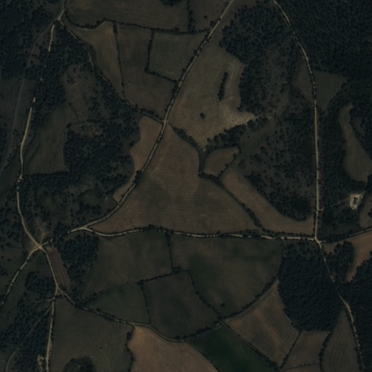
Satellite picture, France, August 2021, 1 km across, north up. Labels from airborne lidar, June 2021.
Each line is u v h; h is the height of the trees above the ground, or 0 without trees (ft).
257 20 36
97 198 0
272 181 29
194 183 0
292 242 0
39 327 34
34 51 0
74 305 32
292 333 0
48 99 31
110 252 0
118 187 49
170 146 0
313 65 39
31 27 34
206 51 0
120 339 0
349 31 54
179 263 0
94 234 34
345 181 26
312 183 21
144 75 0
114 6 0
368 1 26
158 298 0
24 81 0
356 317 34
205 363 0
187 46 0
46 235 0
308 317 64
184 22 0
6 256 0
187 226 0
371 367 20
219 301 0
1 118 25
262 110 20
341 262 39
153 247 0
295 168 30
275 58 0
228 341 0
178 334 0
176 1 34
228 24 0
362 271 54
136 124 33
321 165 24
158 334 0
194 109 0
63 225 33
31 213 32
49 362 20
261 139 0
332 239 25
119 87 0
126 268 0
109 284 0
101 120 20
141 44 0
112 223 0
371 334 38
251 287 0
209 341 0
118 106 28
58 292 0
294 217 20
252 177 38
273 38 27
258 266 0
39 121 33
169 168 0
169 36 0
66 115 0
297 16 55
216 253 0
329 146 37
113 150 43
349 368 0
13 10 48
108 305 0
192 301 0
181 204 0
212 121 0
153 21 0
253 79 23
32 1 33
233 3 0
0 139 43
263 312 0
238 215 0
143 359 0
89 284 0
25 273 0
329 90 0
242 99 21
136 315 0
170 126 0
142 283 33
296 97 27
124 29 0
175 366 0
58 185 52
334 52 31
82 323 0
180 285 0
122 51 0
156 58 0
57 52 26
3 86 0
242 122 0
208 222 0
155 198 0
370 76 46
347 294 48
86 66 36
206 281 0
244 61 20
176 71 0
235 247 0
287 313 25
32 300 0
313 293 63
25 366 24
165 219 0
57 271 0
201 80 0
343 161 34
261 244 0
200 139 0
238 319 0
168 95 0
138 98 0
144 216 0
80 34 0
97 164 35
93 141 25
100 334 0
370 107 19
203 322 0
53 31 0
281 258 0
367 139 49
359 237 0
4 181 0
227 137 30
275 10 39
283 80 0
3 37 37
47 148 0
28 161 0
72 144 32
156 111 0
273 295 0
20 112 0
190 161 0
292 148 23
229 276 0
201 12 0
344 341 0
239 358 0
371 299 48
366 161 0
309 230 0
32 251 0
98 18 0
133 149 0
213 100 0
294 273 65
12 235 33
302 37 48
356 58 49
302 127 22
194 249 0
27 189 19
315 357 0
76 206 0
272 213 0
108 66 0
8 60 38
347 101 36
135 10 0
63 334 0
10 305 0
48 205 0
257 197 0
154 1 0
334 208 26
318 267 55
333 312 68
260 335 0
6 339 38
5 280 0
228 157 0
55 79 34
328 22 52
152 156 0
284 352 0
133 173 0
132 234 0
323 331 22
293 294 36
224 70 0
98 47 0
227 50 26
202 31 19
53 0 33
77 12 0
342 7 35
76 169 47
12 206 0
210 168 0
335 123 25
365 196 21
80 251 50
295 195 27
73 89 0
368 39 0
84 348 0
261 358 28
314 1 59
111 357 0
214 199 0
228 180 0
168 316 0
